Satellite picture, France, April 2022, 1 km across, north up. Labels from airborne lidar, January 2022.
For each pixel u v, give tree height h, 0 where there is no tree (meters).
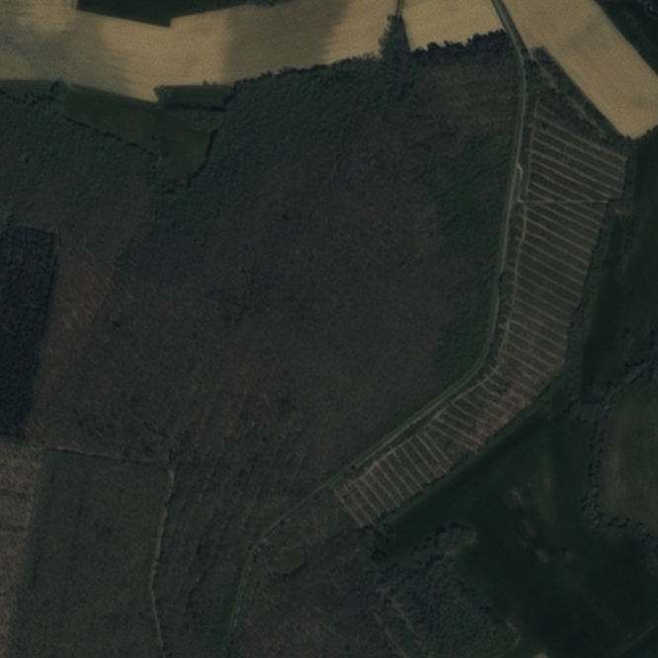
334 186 14
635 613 0
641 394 0
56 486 17
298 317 13
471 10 0
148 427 16
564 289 0
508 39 22
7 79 0
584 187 0
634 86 0
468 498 0
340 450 13
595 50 0
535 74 20
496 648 16
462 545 13
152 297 16
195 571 14
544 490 0
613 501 0
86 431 19
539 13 0
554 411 0
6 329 21
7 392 21
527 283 0
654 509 0
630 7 0
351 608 18
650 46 0
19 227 12
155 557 13
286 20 0
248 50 0
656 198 0
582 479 0
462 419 0
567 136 0
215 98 0
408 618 17
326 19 0
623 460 0
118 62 0
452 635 18
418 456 0
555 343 0
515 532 0
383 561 16
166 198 13
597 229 0
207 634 17
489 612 14
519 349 0
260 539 14
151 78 0
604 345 0
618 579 0
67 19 0
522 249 0
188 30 0
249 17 0
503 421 0
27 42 0
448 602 20
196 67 0
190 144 0
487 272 12
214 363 13
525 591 0
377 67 26
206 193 17
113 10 0
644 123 0
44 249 15
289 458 14
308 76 16
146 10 0
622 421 0
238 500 14
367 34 0
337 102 17
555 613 0
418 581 16
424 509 0
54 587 17
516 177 0
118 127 0
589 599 0
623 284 0
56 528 16
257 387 12
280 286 13
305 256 13
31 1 0
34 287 17
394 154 16
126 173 12
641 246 0
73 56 0
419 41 0
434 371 14
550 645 0
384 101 21
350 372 14
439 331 15
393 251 13
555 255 0
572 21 0
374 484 0
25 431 21
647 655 0
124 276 15
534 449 0
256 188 15
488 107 0
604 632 0
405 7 0
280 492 13
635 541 0
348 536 15
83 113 0
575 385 18
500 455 0
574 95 18
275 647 18
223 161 10
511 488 0
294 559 0
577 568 0
